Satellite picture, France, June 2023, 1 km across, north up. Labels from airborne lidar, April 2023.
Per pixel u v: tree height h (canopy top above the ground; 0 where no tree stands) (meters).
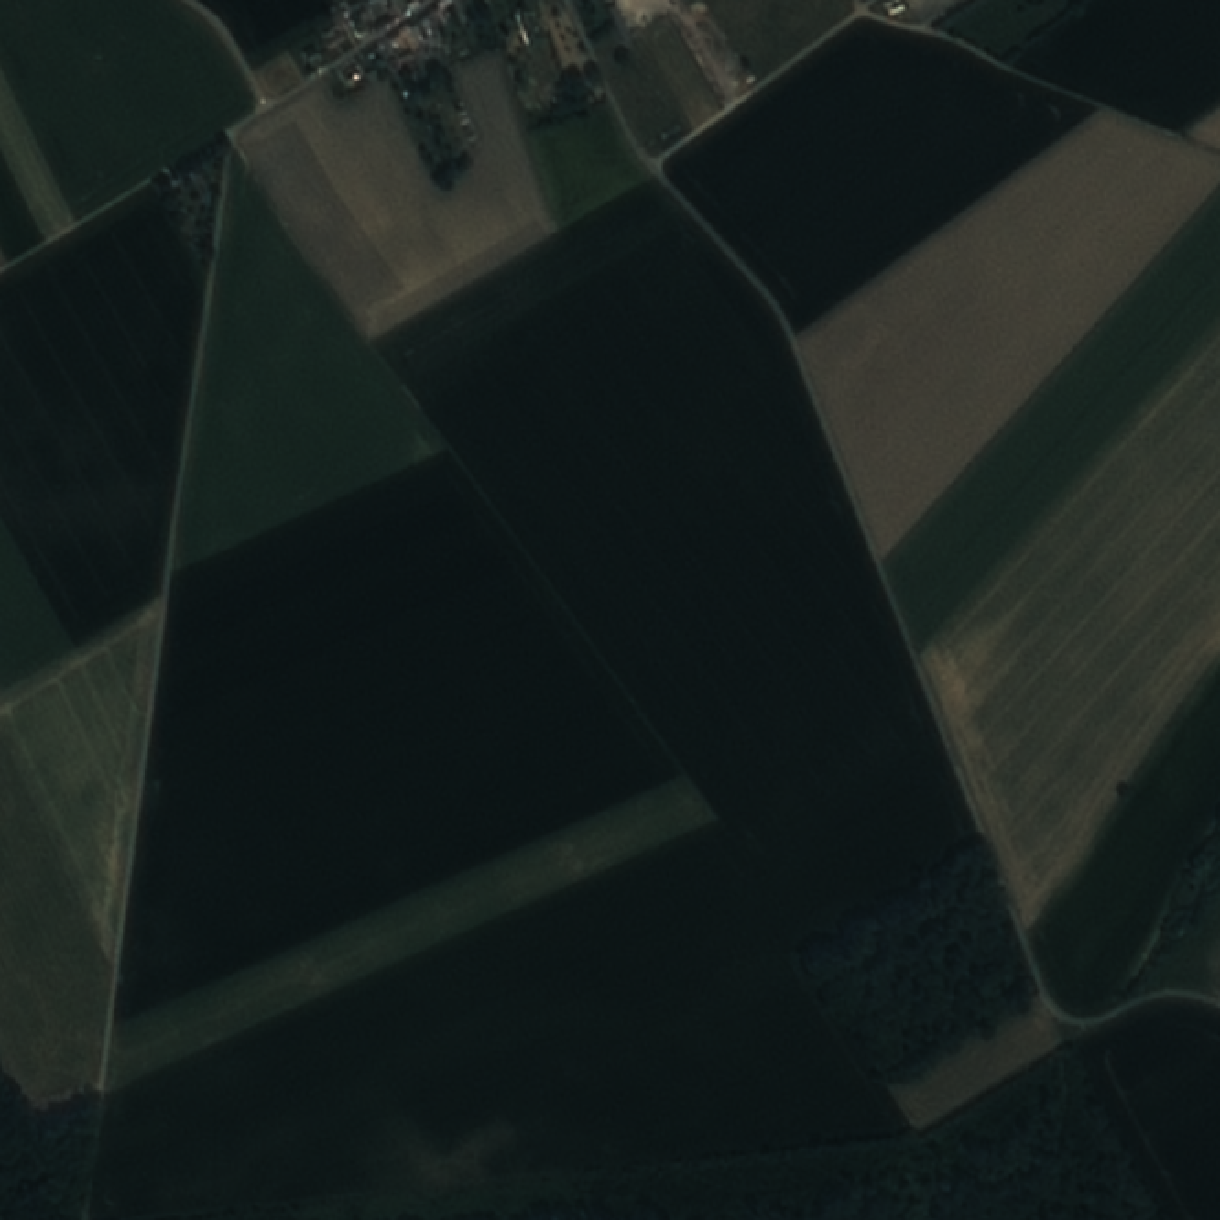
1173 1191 0
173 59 0
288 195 0
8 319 0
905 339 0
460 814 0
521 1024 0
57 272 0
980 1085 0
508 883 0
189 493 0
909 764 0
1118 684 0
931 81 0
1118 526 0
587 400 0
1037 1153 20
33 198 0
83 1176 17
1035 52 0
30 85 0
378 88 0
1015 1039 0
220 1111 0
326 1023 0
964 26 0
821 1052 0
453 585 0
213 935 0
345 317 0
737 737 0
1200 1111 0
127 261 0
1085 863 0
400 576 0
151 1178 0
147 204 0
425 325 0
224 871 0
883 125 0
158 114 0
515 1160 0
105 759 0
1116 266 0
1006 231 0
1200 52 0
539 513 0
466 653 0
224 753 0
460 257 0
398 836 0
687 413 0
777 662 0
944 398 0
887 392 0
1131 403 0
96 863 0
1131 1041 0
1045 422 0
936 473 0
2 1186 22
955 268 0
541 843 0
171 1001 0
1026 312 0
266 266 0
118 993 0
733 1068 0
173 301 0
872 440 0
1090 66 0
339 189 0
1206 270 0
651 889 0
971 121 0
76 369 0
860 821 0
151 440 0
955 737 0
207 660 0
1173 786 0
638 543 0
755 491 0
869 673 0
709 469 0
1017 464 0
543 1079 0
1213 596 0
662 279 0
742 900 0
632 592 0
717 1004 0
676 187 0
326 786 0
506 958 0
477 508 0
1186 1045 0
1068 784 0
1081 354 0
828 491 0
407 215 0
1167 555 0
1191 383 0
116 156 0
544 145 0
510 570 0
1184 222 0
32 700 0
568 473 0
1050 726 0
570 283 0
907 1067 19
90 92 0
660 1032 0
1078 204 0
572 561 0
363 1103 0
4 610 0
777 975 0
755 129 0
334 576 0
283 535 0
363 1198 0
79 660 0
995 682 0
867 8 0
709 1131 0
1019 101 0
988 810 0
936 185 0
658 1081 0
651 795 0
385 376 0
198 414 0
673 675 0
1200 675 0
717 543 0
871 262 0
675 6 0
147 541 0
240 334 0
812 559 0
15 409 0
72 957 0
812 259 0
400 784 0
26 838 0
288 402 0
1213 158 0
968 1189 24
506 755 0
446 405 0
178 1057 0
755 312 0
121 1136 0
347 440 0
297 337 0
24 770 0
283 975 0
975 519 0
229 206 0
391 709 0
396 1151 0
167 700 0
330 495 0
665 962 0
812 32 0
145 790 0
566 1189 0
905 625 0
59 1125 19
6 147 0
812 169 0
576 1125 0
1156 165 0
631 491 0
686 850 0
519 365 0
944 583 0
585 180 0
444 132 7
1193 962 0
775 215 0
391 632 0
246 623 0
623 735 0
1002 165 0
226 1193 0
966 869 13
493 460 0
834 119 0
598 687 0
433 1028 0
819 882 0
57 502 0
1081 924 0
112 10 0
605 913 0
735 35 0
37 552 0
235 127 0
